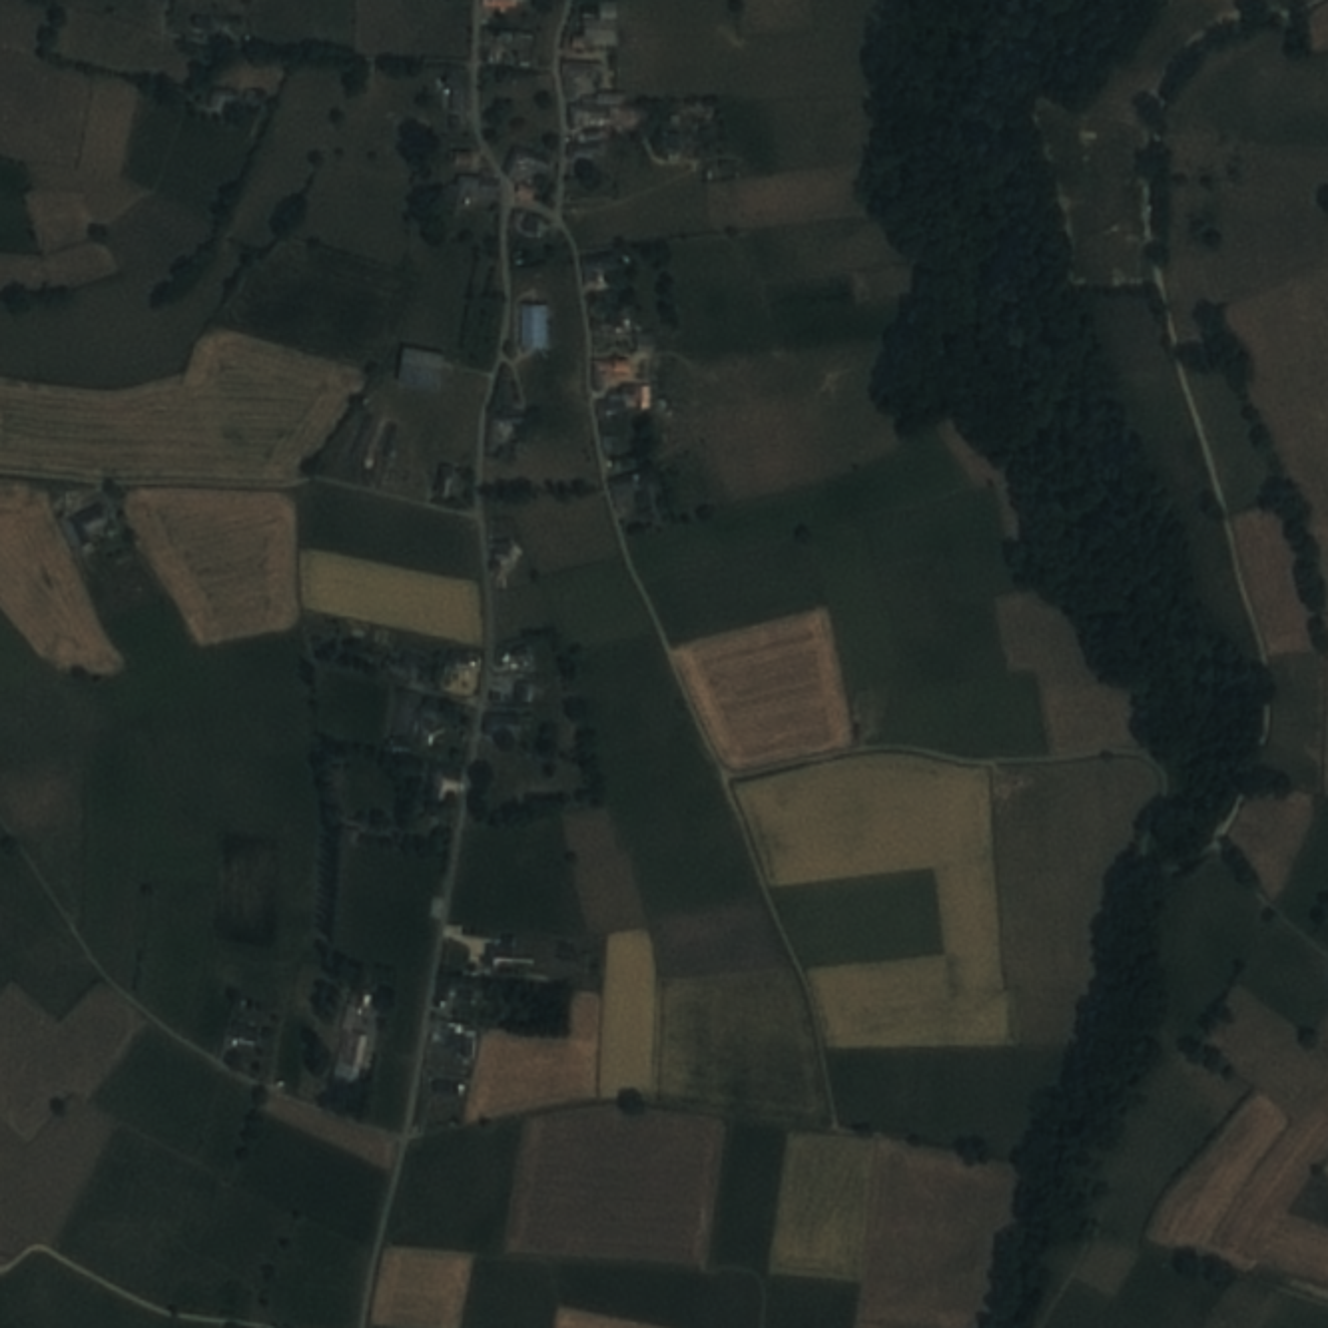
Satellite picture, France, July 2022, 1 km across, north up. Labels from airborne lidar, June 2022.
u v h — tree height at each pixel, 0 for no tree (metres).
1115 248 0
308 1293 0
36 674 0
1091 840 0
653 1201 0
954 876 0
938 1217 0
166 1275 0
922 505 0
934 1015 0
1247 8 20
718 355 0
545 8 9
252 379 0
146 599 0
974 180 34
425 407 0
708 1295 0
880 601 0
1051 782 0
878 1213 0
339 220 0
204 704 0
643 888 0
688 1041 0
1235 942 0
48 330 0
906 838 0
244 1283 0
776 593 0
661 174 0
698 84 0
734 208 0
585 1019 0
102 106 0
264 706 0
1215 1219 0
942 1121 0
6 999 0
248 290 0
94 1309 0
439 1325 0
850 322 0
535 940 0
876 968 0
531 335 0
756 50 0
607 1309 0
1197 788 12
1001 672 0
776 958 0
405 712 0
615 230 0
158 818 0
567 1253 0
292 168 0
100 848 0
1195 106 0
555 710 0
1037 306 32
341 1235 0
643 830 0
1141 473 25
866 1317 0
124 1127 0
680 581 0
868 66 10
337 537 0
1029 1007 0
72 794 0
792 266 0
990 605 0
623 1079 0
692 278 0
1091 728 0
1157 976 22
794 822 0
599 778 8
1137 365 0
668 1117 0
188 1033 0
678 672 0
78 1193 0
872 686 0
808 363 0
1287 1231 0
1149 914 27
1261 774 22
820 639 0
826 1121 0
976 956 0
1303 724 0
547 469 0
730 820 0
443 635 0
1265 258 0
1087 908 0
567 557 0
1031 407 25
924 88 33
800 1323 0
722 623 0
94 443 0
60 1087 0
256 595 0
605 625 0
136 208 0
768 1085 0
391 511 0
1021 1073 0
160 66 0
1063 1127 17
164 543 0
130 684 0
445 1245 0
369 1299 0
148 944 0
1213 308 12
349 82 15
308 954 0
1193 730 30
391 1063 0
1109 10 25
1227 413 0
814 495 0
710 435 0
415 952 0
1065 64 23
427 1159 0
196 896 0
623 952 0
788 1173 0
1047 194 23
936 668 0
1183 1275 16
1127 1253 0
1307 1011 0
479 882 0
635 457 9
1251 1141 0
